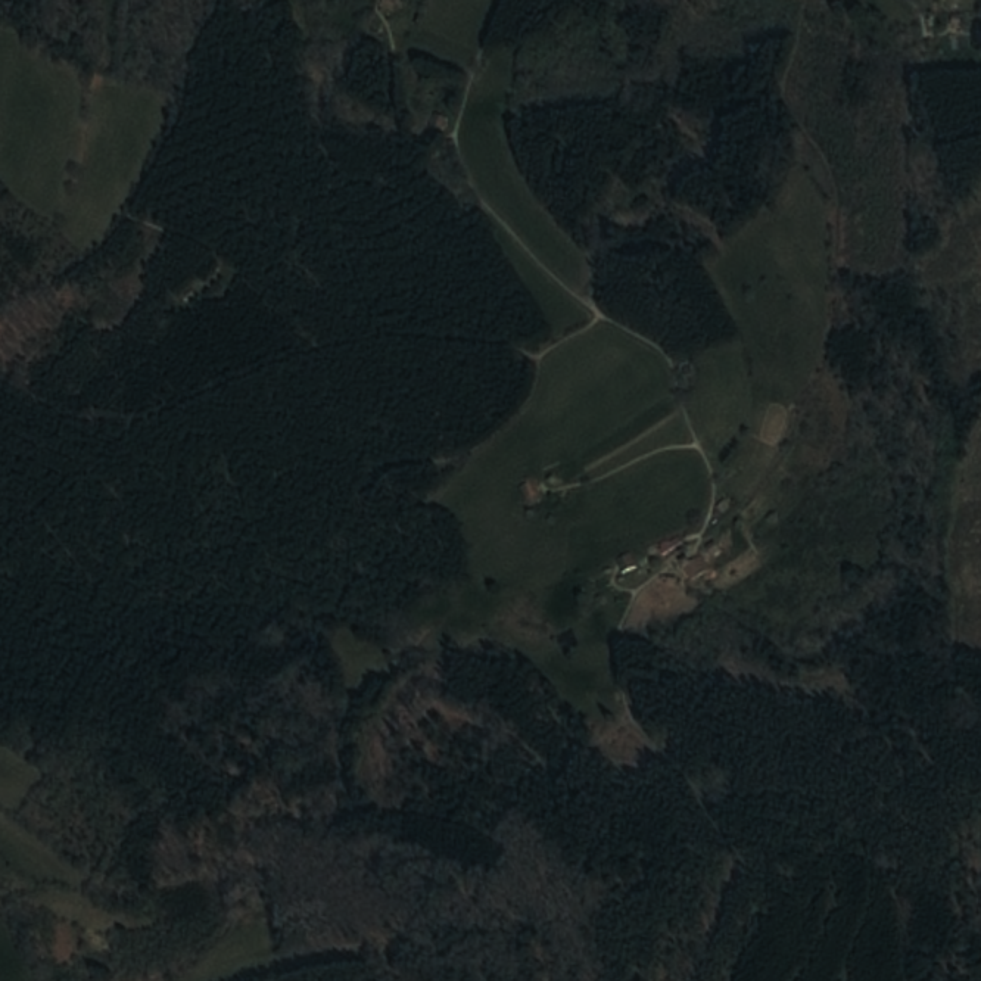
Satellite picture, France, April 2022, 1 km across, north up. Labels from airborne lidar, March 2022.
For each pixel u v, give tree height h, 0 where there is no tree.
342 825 21
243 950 0
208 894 6
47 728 21
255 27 35
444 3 0
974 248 0
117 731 24
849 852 18
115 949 9
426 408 21
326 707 34
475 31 0
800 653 17
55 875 0
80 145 0
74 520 19
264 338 17
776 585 0
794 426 0
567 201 30
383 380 22
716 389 0
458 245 23
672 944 20
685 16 9
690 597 8
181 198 19
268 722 36
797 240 0
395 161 20
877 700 26
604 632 0
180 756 21
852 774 25
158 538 25
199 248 17
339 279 22
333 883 30
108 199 0
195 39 17
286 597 21
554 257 0
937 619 32
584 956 28
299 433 21
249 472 22
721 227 21
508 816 20
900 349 20
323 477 24
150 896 26
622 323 18
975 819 25
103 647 25
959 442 24
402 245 20
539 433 0
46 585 23
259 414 23
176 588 24
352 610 19
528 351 0
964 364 17
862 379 16
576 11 28
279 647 25
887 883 17
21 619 23
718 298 19
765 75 35
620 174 14
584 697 0
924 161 19
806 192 0
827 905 12
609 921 20
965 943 28
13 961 0
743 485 0
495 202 0
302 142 22
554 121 27
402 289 21
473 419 19
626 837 29
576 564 0
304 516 23
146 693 23
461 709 30
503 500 0
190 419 20
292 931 28
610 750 0
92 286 19
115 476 22
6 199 18
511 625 0
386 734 0
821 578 0
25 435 22
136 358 11
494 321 24
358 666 0
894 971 15
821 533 0
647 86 16
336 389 23
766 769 25
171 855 23
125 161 0
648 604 0
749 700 30
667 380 0
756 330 0
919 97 24
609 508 0
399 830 20
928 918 19
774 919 16
